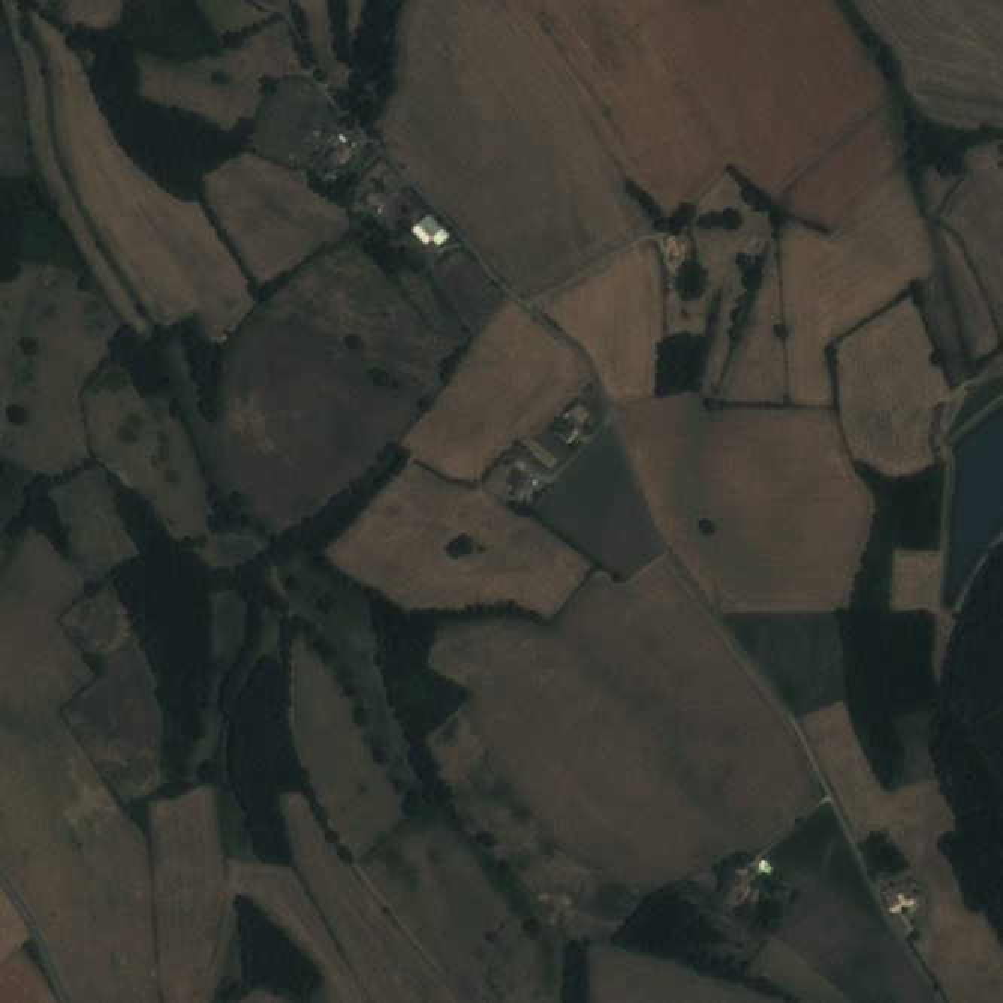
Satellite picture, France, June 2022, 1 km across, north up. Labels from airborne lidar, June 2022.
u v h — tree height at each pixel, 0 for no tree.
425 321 0
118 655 0
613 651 0
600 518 0
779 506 0
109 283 0
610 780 0
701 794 0
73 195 0
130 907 0
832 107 0
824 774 0
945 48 0
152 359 15
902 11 0
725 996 0
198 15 9
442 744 0
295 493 0
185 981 0
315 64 12
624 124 0
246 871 0
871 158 0
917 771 0
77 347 0
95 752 0
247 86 0
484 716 0
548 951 0
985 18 0
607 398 0
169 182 13
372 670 0
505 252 0
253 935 13
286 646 14
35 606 0
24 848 0
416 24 0
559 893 0
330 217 0
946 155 8
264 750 13
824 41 0
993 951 0
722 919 0
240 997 12
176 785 11
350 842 0
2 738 0
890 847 7
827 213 0
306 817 0
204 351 21
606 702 0
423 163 0
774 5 0
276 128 0
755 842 0
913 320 0
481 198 0
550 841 0
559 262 0
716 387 14
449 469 0
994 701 15
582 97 0
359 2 0
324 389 0
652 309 0
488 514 0
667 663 0
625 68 0
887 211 0
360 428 0
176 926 0
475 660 0
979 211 0
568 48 0
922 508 8
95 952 0
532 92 0
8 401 0
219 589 16
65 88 0
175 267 0
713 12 0
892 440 0
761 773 0
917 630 16
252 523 11
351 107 14
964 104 0
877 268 0
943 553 0
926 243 0
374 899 0
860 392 0
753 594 0
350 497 15
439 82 0
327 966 0
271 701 13
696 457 0
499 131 0
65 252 0
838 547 0
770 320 0
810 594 0
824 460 0
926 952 0
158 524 18
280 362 0
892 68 24
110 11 0
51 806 0
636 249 0
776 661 0
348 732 0
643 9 0
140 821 8
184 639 17
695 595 0
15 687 0
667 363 16
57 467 0
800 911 0
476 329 0
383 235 9
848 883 0
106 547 0
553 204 0
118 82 20
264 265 0
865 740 6
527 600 0
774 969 0
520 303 0
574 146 0
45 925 0
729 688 0
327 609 20
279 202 0
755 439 0
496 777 0
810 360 0
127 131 16
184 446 0
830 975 0
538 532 0
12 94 0
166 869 0
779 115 0
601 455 0
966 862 16
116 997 0
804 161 0
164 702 14
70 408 0
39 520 15
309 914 0
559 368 0
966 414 0
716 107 0
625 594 0
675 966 0
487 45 0
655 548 0
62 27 10
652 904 16
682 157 0
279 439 0
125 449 0
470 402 0
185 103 0
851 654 11
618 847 0
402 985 0
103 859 0
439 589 0
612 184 0
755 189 13
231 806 0
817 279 0
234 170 0
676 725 0
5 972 0
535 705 0
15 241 18
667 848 0
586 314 0
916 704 14
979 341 0
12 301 0
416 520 0
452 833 0
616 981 0
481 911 0
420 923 0
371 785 0
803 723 0
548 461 0
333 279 0
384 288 0
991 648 15
